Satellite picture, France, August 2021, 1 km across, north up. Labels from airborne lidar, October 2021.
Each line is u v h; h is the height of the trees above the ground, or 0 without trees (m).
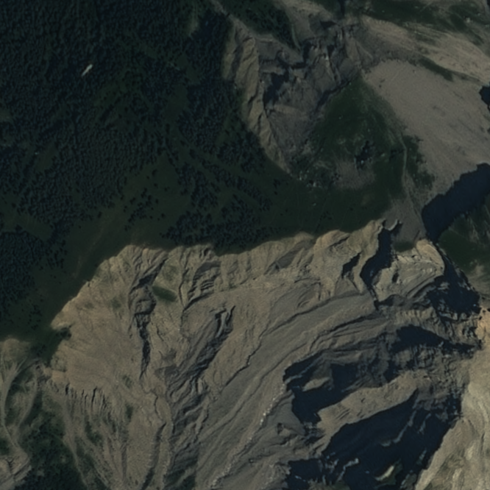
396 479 0
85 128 17
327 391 0
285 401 0
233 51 0
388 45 0
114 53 16
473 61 0
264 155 7
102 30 28
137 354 0
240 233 9
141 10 18
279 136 0
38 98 20
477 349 0
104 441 0
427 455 0
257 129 0
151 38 12
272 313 0
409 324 0
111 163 13
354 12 0
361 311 0
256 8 0
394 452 0
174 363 0
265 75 0
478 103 0
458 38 0
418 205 0
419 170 0
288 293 0
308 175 0
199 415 0
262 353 0
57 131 10
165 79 14
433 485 0
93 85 12
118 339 0
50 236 0
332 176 0
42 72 22
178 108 0
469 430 0
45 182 11
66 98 11
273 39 0
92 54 16
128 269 0
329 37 0
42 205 15
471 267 0
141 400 0
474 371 0
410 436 0
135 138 11
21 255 15
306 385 0
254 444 0
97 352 0
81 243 0
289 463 0
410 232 0
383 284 0
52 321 0
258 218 9
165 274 0
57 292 0
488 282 0
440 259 0
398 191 0
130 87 11
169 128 10
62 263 8
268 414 0
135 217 10
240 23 0
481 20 0
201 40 14
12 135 9
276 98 0
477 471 0
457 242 0
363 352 0
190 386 0
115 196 8
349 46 0
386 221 0
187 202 0
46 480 18
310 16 0
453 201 0
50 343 0
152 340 0
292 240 0
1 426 0
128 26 14
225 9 0
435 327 0
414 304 0
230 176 15
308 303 0
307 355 0
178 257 0
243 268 0
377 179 0
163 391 0
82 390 0
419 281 0
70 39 21
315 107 0
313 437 0
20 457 0
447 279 0
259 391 0
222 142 0
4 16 21
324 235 0
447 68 0
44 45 21
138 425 0
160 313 0
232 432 0
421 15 0
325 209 0
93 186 11
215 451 0
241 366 0
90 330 0
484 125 0
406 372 0
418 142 0
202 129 15
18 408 0
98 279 0
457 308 0
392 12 0
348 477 0
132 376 0
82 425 0
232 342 0
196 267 0
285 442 0
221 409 0
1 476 0
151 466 0
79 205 10
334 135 0
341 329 0
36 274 0
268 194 0
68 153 17
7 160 15
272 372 0
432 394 0
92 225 0
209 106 12
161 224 0
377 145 0
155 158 10
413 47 0
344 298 0
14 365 0
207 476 0
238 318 0
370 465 0
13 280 11
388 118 0
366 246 0
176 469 0
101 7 24
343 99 0
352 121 0
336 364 0
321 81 0
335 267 0
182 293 0
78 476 8
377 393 0
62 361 0
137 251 0
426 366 0
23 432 0
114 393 0
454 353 0
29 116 15
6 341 0
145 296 0
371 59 0
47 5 21
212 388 0
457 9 0
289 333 0
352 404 0
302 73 0
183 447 0
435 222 0
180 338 0
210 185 12
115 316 0
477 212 0
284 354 0
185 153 0
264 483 0
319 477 0
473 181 0
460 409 0
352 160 0
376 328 0
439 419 0
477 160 0
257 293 0
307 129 0
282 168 0
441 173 0
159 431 0
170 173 0
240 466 0
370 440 0
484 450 0
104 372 0
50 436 10
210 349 0
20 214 7
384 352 0
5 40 14
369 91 0
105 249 0
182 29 21
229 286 0
